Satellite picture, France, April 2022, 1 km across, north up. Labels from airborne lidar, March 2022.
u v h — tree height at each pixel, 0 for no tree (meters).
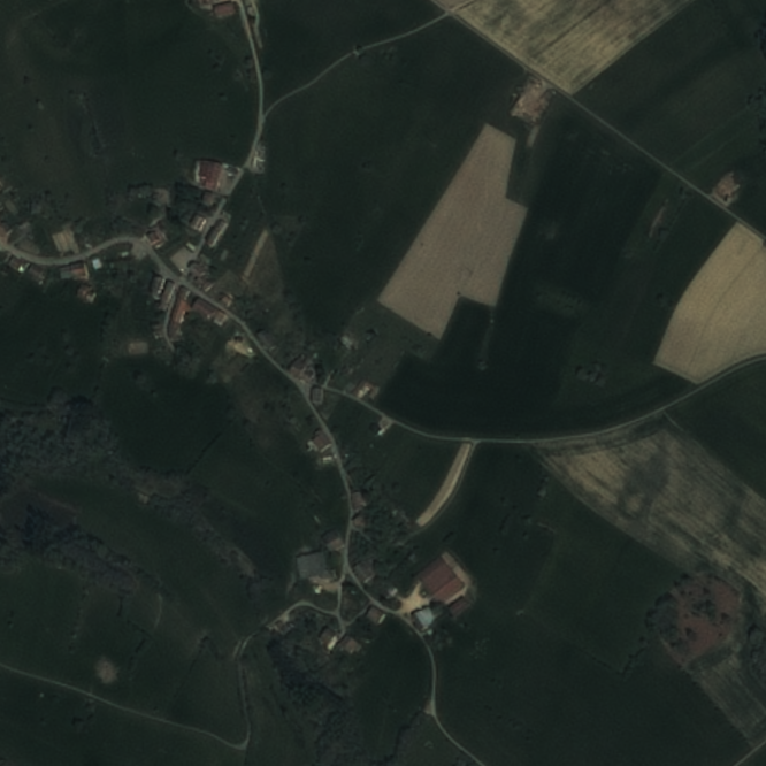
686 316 0
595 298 0
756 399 0
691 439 0
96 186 0
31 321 0
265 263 0
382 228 0
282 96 0
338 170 0
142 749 0
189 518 7
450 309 0
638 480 0
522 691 0
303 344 0
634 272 0
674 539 0
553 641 0
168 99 0
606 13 0
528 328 0
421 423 0
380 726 0
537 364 0
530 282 0
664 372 0
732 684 0
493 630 0
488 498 0
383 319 0
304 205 0
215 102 0
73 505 0
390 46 0
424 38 0
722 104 0
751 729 0
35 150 0
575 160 0
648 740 0
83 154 0
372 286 0
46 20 0
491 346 0
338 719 15
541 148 0
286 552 0
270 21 0
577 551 0
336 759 17
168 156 0
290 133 0
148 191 11
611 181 0
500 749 0
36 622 0
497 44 0
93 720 7
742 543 0
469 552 0
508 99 0
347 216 0
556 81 0
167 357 0
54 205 6
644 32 0
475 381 0
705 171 0
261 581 10
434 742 0
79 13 0
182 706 0
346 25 0
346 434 0
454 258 0
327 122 0
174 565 0
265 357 0
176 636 0
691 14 0
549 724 0
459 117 0
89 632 0
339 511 0
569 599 0
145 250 0
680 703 0
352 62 0
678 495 0
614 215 0
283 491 0
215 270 9
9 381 0
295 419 7
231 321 0
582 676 0
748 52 0
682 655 13
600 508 0
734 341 0
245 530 0
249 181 0
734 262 0
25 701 0
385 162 0
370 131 0
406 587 0
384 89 0
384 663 0
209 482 0
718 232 0
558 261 0
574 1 0
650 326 0
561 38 0
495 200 0
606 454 0
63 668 0
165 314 7
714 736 0
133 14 0
